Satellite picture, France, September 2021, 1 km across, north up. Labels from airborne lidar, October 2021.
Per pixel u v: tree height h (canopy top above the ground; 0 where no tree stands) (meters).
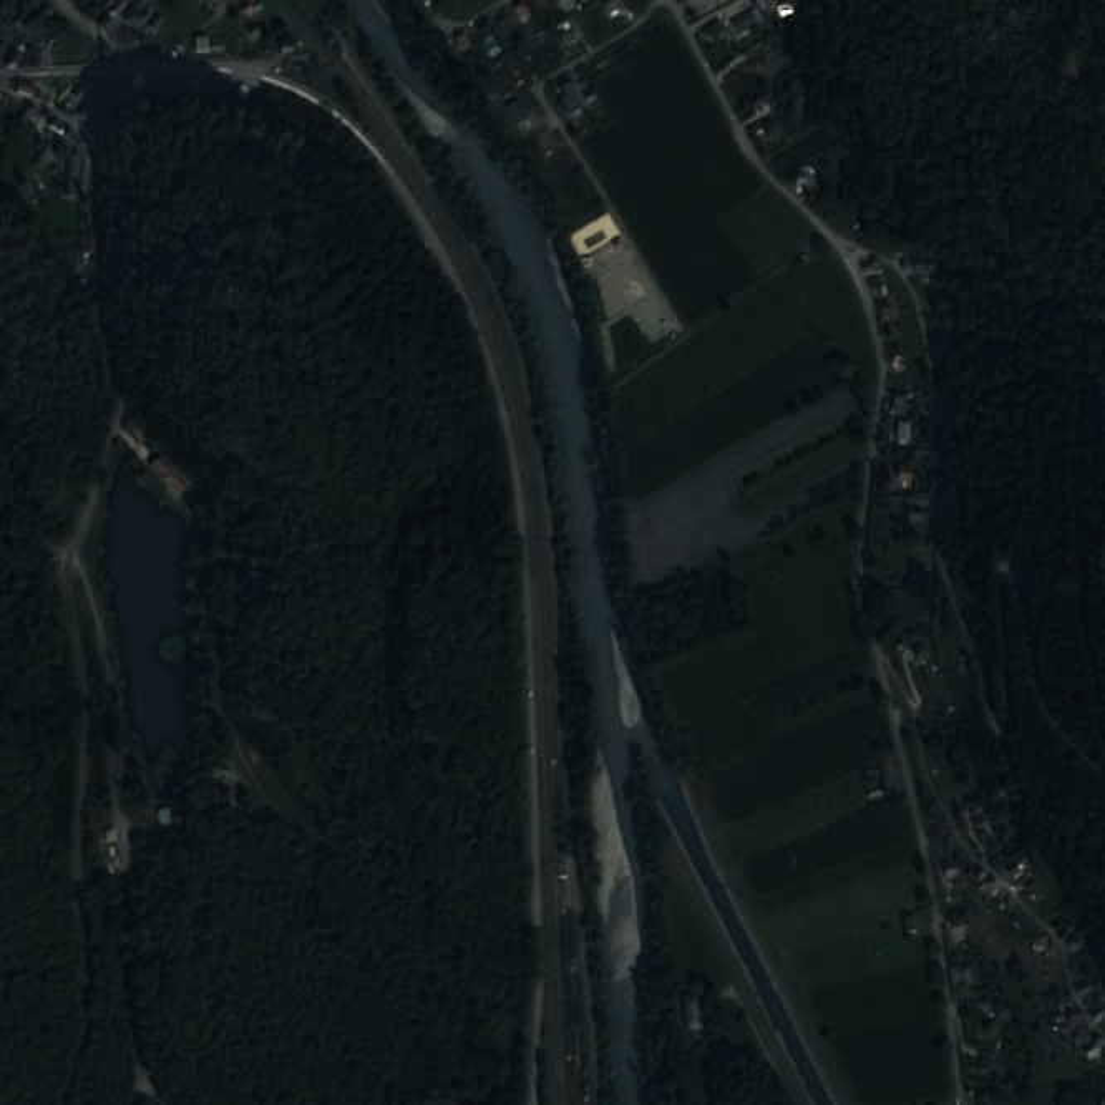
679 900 0
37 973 13
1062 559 32
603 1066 9
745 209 0
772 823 0
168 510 0
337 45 7
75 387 14
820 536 8
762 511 0
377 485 23
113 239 20
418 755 7
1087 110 19
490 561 8
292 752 11
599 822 0
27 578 24
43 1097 20
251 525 34
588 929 12
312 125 14
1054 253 24
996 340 24
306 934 23
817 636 0
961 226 27
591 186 6
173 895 11
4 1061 20
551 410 13
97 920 23
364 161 13
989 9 9
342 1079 21
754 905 0
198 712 23
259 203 13
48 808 15
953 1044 12
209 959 19
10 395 19
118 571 0
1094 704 7
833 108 26
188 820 22
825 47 31
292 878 30
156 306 17
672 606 21
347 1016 22
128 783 10
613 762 0
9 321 22
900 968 0
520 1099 17
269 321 18
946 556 18
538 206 19
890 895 0
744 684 0
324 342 24
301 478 9
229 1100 19
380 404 18
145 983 26
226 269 8
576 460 0
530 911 18
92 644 7
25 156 0
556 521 8
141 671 0
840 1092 0
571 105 0
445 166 20
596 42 0
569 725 13
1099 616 17
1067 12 20
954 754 16
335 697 15
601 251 0
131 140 14
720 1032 16
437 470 19
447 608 20
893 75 19
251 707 18
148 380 19
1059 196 26
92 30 0
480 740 25
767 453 0
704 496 0
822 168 7
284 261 7
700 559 0
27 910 25
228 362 10
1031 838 22
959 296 27
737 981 0
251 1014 20
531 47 0
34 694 18
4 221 18
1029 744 19
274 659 17
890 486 16
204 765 12
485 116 25
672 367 0
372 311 34
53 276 20
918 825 0
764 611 0
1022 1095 11
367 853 20
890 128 20
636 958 0
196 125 18
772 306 0
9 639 28
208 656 23
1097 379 29
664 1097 20
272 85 10
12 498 20
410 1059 23
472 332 26
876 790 6
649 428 0
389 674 6
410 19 6
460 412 24
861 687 16
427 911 29
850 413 0
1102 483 24
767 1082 18
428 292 27
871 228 21
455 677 19
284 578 23
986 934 0
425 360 27
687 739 10
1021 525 26
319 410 21
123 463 0
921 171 22
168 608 0
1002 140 21
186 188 21
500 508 10
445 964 28
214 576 22
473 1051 20
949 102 23
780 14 0
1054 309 30
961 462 25
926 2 23
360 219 28
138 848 10
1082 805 23
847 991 0
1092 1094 7
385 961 24
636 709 0
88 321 28
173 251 35
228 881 13
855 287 0
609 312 0
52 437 19
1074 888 14
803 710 13
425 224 0
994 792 8
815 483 0
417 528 34
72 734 27
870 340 0
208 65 0
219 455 12
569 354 0
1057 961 0
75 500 8
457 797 9
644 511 0
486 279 0
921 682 0
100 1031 22
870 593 17
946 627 15
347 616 18
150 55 0
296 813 0
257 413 12
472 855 21
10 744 22
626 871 0
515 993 25
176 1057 20
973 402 18
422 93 0
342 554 20
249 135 27
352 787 20
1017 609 19
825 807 0
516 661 19
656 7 0
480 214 18
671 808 0
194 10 0
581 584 0
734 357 0
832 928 0
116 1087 25
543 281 0
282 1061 15
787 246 0
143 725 0
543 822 0
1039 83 19
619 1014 0
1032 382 24
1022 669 27
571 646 16
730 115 0
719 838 0
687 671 0
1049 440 29
